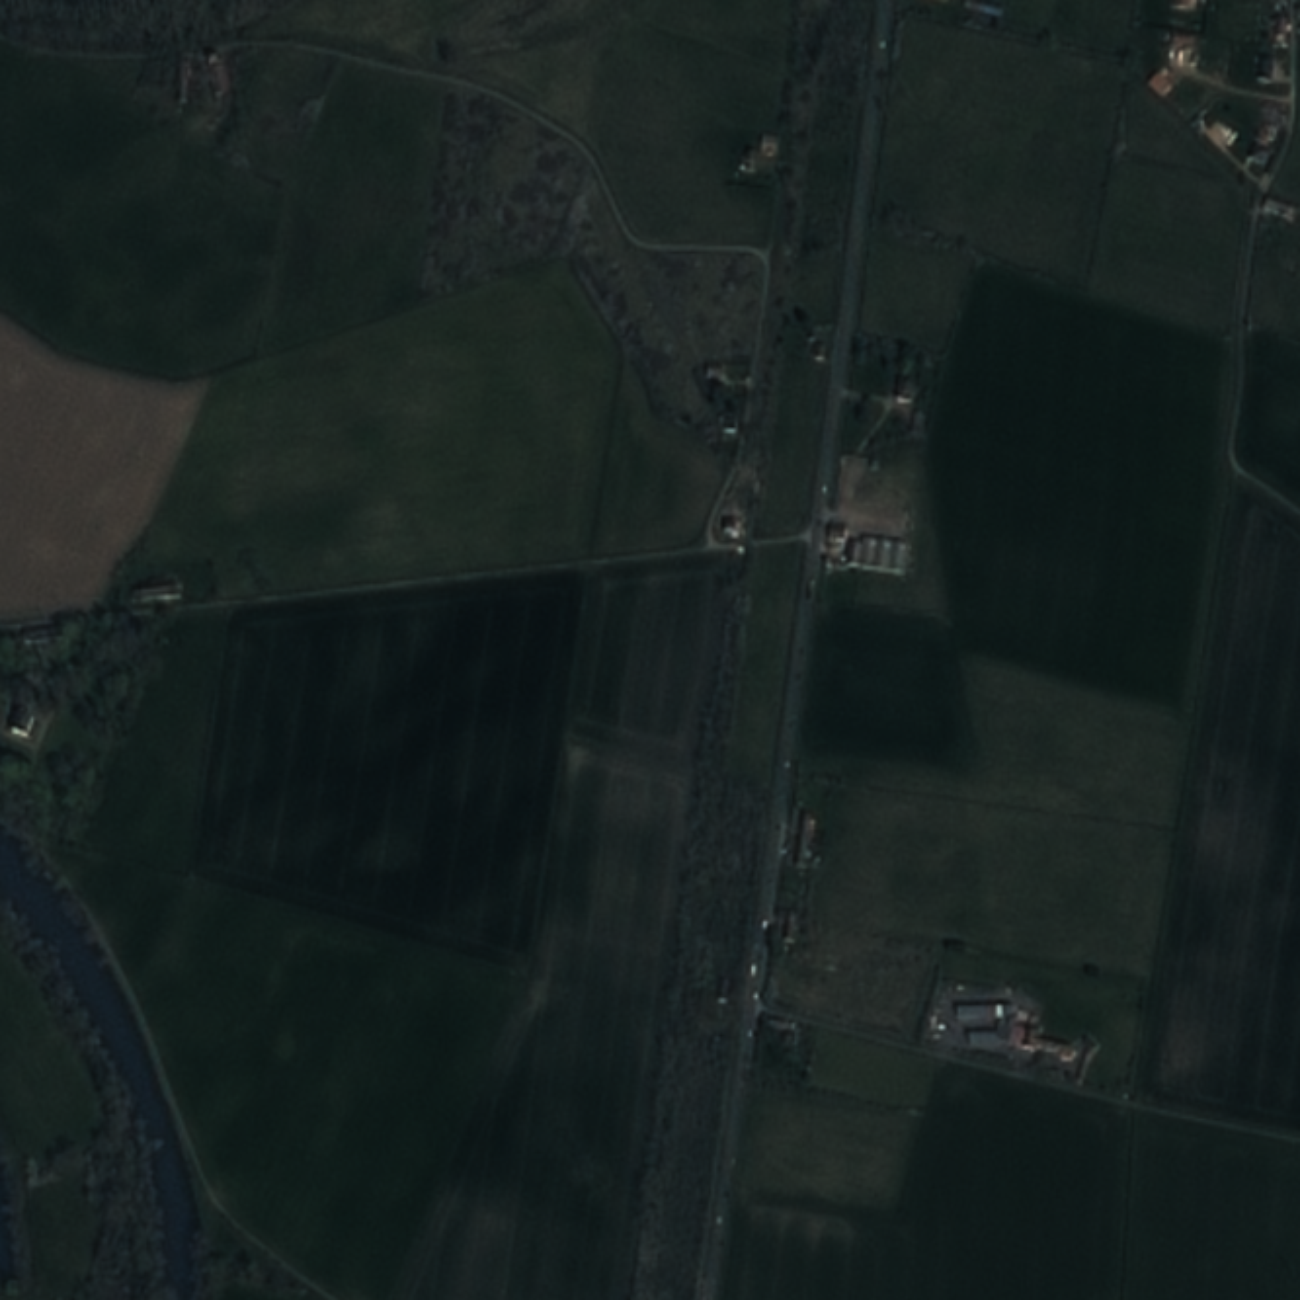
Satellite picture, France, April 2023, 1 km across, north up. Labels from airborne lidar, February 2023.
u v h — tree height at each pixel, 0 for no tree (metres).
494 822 0
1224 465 0
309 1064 0
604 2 0
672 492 0
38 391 0
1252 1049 0
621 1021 0
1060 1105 0
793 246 10
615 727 0
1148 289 0
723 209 0
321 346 0
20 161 0
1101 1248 0
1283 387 0
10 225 0
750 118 0
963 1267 0
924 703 0
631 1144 0
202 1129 0
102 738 22
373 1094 0
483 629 0
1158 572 0
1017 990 0
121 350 0
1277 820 0
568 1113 0
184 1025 0
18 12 32
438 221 0
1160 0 0
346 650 0
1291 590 0
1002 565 0
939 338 0
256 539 0
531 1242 0
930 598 0
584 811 0
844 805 0
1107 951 0
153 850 0
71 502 0
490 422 0
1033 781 0
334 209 0
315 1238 0
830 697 0
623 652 0
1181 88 0
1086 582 0
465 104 0
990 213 0
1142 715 0
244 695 0
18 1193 16
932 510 0
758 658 0
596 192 0
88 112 0
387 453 0
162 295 0
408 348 0
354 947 0
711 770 7
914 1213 0
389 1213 0
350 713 0
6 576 0
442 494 0
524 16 0
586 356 0
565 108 0
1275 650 0
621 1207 0
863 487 0
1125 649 0
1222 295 0
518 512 0
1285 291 0
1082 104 0
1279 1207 0
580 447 0
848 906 0
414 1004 0
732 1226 0
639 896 0
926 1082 0
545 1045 0
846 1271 0
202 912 0
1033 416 0
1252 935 0
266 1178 0
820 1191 0
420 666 0
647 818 0
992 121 0
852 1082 0
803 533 0
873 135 0
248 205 0
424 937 0
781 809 0
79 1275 0
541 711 0
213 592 6
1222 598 0
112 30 33
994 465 0
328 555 0
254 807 0
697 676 0
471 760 0
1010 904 0
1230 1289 0
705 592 0
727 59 0
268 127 0
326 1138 0
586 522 0
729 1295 0
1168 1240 0
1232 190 0
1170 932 0
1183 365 0
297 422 0
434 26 0
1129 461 0
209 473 0
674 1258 10
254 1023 0
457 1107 0
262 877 0
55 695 25
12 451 0
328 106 0
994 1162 0
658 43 0
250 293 0
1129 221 0
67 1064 0
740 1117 0
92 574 0
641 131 0
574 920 0
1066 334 0
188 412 0
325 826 0
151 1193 11
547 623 0
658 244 0
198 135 0
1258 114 0
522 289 0
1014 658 0
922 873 0
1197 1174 0
